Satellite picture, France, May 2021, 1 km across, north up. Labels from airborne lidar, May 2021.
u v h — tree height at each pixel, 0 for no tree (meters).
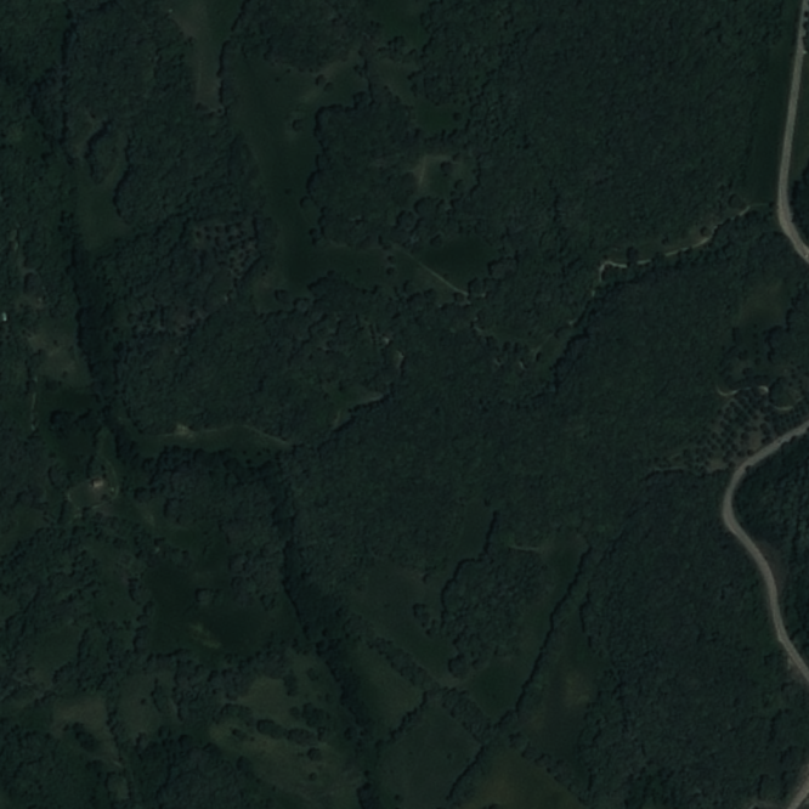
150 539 12
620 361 18
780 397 12
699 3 17
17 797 12
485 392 21
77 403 0
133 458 23
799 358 16
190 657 17
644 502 16
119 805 15
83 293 18
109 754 0
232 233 13
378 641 12
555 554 0
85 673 13
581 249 12
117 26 15
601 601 14
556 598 0
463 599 11
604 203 15
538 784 0
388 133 12
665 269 17
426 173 0
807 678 0
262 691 0
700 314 16
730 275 16
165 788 12
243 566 15
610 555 14
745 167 9
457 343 19
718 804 15
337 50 16
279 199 0
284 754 0
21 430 15
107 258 9
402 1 0
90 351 21
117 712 12
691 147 15
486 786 0
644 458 19
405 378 13
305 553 16
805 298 17
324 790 0
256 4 14
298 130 8
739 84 18
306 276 0
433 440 13
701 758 16
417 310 21
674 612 13
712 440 6
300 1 16
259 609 0
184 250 11
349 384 9
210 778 18
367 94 11
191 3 0
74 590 16
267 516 12
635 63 14
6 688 13
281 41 16
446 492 19
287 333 12
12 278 12
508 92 14
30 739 17
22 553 9
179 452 21
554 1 17
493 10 11
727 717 13
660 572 13
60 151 9
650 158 8
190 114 17
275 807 6
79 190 8
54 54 14
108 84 16
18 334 12
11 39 17
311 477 15
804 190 20
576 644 0
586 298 9
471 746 0
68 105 20
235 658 11
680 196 13
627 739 18
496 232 16
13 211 12
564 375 20
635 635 12
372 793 20
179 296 12
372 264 0
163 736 11
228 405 14
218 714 13
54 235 13
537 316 16
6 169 13
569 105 15
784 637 0
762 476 20
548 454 16
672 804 11
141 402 14
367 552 10
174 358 10
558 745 0
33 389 15
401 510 15
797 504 8
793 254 15
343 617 17
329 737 13
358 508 12
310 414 15
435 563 12
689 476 21
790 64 0
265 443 0
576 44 11
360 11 15
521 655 7
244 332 14
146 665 14
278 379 12
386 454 11
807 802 0
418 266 0
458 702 17
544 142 15
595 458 19
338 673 21
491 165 16
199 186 13
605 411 18
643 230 15
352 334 12
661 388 11
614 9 9
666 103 17
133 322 8
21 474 16
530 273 14
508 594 10
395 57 11
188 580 0
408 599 0
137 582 16
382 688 0
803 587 17
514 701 0
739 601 17
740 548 13
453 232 14
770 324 0
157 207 15
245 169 12
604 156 11
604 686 8
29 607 13
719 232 12
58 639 0
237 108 14
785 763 11
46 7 15
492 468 18
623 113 7
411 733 8
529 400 19
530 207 14
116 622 7
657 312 22
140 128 16
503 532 18
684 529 18
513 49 10
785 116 0
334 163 14
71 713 0
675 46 19
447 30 16
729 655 15
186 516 14
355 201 14
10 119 15
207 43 0
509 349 13
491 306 11
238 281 13
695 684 13
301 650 12
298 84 0
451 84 9
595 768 17
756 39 8
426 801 0
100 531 8
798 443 13
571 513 16
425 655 0
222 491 15
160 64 10
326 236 15
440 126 0
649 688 17
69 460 0
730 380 10
